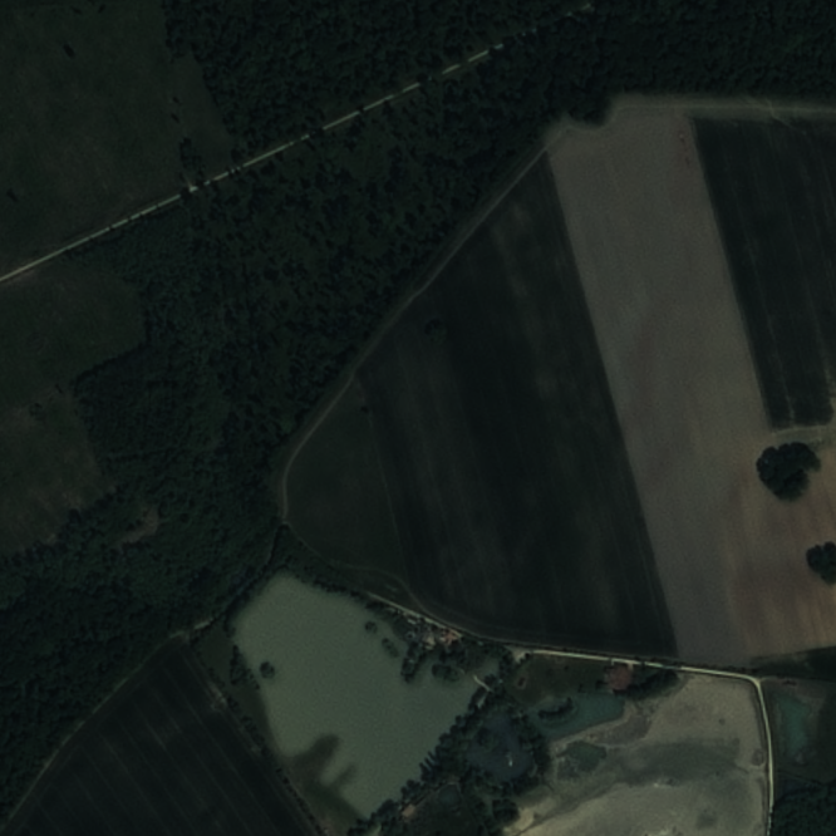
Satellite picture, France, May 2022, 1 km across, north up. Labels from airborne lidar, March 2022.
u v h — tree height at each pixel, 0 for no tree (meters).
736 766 0
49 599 21
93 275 0
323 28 15
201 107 0
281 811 0
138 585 21
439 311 0
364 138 23
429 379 0
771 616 0
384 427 0
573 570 0
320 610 0
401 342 0
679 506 0
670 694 0
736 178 0
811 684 0
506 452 0
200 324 23
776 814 11
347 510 0
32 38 0
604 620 0
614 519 0
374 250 0
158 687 0
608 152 0
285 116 23
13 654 23
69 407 0
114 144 0
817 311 0
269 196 25
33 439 0
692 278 0
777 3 22
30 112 0
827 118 0
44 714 23
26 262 0
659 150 0
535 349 0
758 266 0
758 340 0
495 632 0
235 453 23
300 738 0
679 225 0
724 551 0
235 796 0
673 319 0
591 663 0
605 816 0
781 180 0
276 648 0
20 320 0
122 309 0
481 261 0
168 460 8
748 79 21
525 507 0
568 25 18
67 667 24
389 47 22
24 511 0
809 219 0
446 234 17
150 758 0
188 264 18
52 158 0
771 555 0
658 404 0
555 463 0
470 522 0
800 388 0
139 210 0
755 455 0
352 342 22
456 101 23
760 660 0
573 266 0
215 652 0
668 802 0
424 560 0
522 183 0
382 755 0
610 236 0
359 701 0
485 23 23
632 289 0
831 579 17
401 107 0
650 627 0
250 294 19
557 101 20
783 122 0
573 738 0
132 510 6
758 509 0
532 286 0
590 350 0
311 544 0
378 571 0
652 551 0
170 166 0
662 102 0
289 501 0
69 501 0
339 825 0
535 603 0
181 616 21
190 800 0
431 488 0
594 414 0
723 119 0
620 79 17
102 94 0
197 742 0
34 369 0
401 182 24
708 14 21
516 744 0
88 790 0
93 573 6
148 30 0
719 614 0
